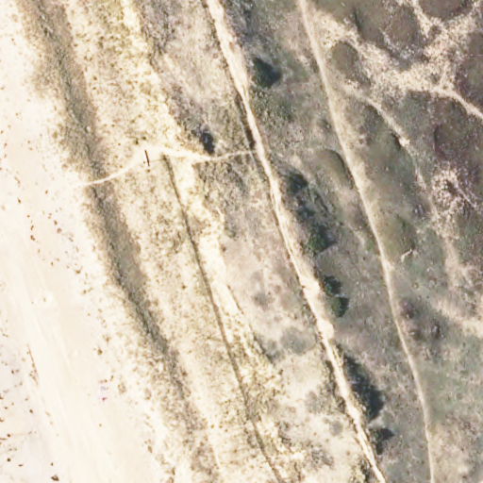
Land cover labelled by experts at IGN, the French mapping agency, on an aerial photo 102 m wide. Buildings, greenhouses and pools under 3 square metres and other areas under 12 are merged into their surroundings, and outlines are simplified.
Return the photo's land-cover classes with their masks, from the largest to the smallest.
<instances>
[{"label":"bare soil","instance_id":"1","mask_svg":"<svg viewBox=\"0 0 483 483\"><path fill-rule=\"evenodd\" d=\"M211 0H0V483H319V479L313 474L304 479L302 470L309 468L311 472H315L325 466H334V458L328 457V451L319 441H300L304 458L292 462L291 474L283 479L272 460V455H279V449L275 447L272 436H279L285 447H292L289 425L300 423L308 411L328 415L341 413L351 432H357V425L351 413L345 408V400L336 383L334 366L326 357L325 343L317 326L315 313L309 308L304 285L300 283V277L292 264L291 253L283 240L281 225L274 209L270 179L258 160L255 138L247 123L240 92L236 87L234 75L230 72L225 53L221 49L215 19L209 11ZM226 15L230 17V28L238 38L243 51L245 72L251 77L255 74V58H262L274 70L281 72V79L272 87H262L253 81L249 87L251 108L262 136L264 153L275 175L279 177L281 202L285 209L294 215L298 211V202L285 191L287 187L283 181L296 170L298 174L304 175L311 189L323 194L328 213H336L343 217L345 230L338 236V241L325 251L313 249L308 232L300 226L298 245L302 255L311 258L313 277L319 283L326 275L336 277L341 283L340 291L345 298H340L330 309L334 326V334L330 341L343 360L347 357L355 358L358 364H362L368 370L375 389L391 394L389 402L379 409L375 419H368L364 413L362 430L366 436L374 428L391 430L392 438L387 441L385 451L381 455L375 453V462L381 474L385 475L387 483H430L423 413L415 394V379L406 364L400 338L392 321L391 304L387 296V285L374 232L368 225L355 179L341 155L340 140L330 121L325 85L309 45L308 32L302 23V13L296 8L300 0H219ZM364 58L358 57L351 43L338 42L332 47V55L326 62L334 64L343 72L345 79L355 81L360 89L372 87V79L362 70ZM468 42L458 43L447 49L449 68L455 72L464 60ZM345 119L355 132L366 136V145L375 143L381 128L387 125L374 106H370L368 102H360L355 96H349ZM415 172L421 170L426 183H430L434 175L440 174L443 170H453L451 162L440 160L434 153L417 151V155L411 157Z\"/></svg>","mask_w":483,"mask_h":483},{"label":"pervious surface","instance_id":"2","mask_svg":"<svg viewBox=\"0 0 483 483\"><path fill-rule=\"evenodd\" d=\"M209 11L215 19L221 49L225 53L230 72L234 75L236 87L240 92L247 123L255 138L258 160L270 179L274 209L281 225L283 240L291 253L292 264L300 277V283L304 285L309 308L315 313L317 326L325 343L326 357L334 366L336 383L345 400V408L351 413L357 425V432H351L341 413L328 415L308 411L300 423L289 425L292 447H285L279 436H272L275 447L279 449V455H272V460L283 479L291 474L292 462L304 458L300 441H319L328 451V457L334 458V466H325L315 472H311L309 468L302 470L304 479L313 474L319 479V483H387L385 475L381 474L375 462V453L366 436L362 430L364 413L362 404L351 391L349 381L345 377L343 360L330 341L334 334V326L330 309L325 308V291L319 283L313 277L311 258L302 255L298 245L300 226L294 215L285 209L281 202L279 177L275 175L264 153L262 136L251 108L249 87L253 81L251 77L245 72L243 51L238 38L230 28V17L226 15L219 0H211ZM402 8H413L423 34H428L432 26L440 28V36L436 38L434 45L426 47L428 62L413 64L406 72H400L398 64L387 57L381 49H377L374 43H362L358 40L357 28H345L336 23L326 11L315 6L313 0H300L296 8L302 13V23L308 32L309 45L325 85L330 121L340 140L341 155L355 179L368 225L374 232L387 285V296L391 304L392 321L400 338L406 364L415 379V394L423 413L430 483H483V275L479 266L462 264L458 260L455 241L460 236L457 206L460 202L455 194L464 189L458 181L457 172L453 170H443L440 174L434 175L430 183H426L421 170L415 172L421 196L428 202L430 219L415 228L417 247L404 251L396 241V228L400 225H396V217L409 215L411 206L408 202L394 204L391 200L379 198V187L370 179H366L364 162L355 157L358 149L366 145V136L355 132L345 119L349 96H355L360 102H368L370 106H374L387 125L396 132L402 147L411 157L417 155V151L409 142L408 132L398 125L391 111L383 106V100L389 96H394L398 100V106H404L409 91L449 96L470 115H475L479 121H483V109L477 108L460 92L455 91V72L449 68L447 49L458 43L468 42V34L474 32L475 26L472 17L460 15L451 21H441L438 17H426L419 0H398ZM338 42L351 43L358 57L364 58L362 70L372 79V87L360 89L355 81L345 79L343 72L334 64L326 62L332 55V47ZM402 298H417L449 319V332L441 340L443 357L436 364L432 360H426L430 355L428 345H423L413 338V323L404 317L400 308Z\"/></svg>","mask_w":483,"mask_h":483},{"label":"herbaceous vegetation","instance_id":"3","mask_svg":"<svg viewBox=\"0 0 483 483\"><path fill-rule=\"evenodd\" d=\"M315 6L326 11L336 23L345 28H357L358 40L362 43H374L377 49H381L387 57L398 64L400 72H406L413 64L428 62L426 47L434 45L436 38L440 36V28L432 26L428 34H423L413 8H402L398 0H313ZM426 17H438L441 21H451L460 15L472 17L475 26L474 32L468 34V42L464 60L455 72V91L460 92L477 108L483 109V0H419ZM383 106L391 111L398 125L408 132L409 142L417 151L434 153L440 160L451 162L453 170L457 172L458 181L464 189L455 194L460 202L457 206L460 236L455 241L458 260L462 264L479 266L483 275V121H479L475 115H470L449 96L409 91L404 106H398V100L394 96H389L383 100ZM355 157L364 162L366 179H370L379 187V198L391 200L394 204L408 202L411 206L409 215L396 217V225H400L396 228V241L404 251L417 247L415 228L430 219L428 202L421 196L415 172L411 157L402 147L396 132L387 125L381 128L375 143L366 145L358 149ZM400 308L404 317L413 323V338L423 345H428L430 355L426 360H432L436 364L443 357L441 340L449 332V319L417 298H402Z\"/></svg>","mask_w":483,"mask_h":483},{"label":"brushwood","instance_id":"4","mask_svg":"<svg viewBox=\"0 0 483 483\"><path fill-rule=\"evenodd\" d=\"M255 74L251 77L253 81L262 87H272L281 79V72L274 70L262 58H255ZM287 187L285 191L298 202V211L294 215L300 226L308 232L313 249L325 251L338 241V236L345 230L343 217L336 213H328L323 194L311 189L304 175L298 174L296 170L283 181ZM325 291V308L330 309L340 298H345L340 291L341 283L336 277L326 275L319 283ZM345 377L349 381L351 391L362 404L364 413L368 419H375L379 409L389 402L391 394L375 389L368 370L362 364H358L355 358L347 357L343 360ZM392 438L391 430L374 428L366 436L375 453L381 455L385 451L387 441Z\"/></svg>","mask_w":483,"mask_h":483}]
</instances>
